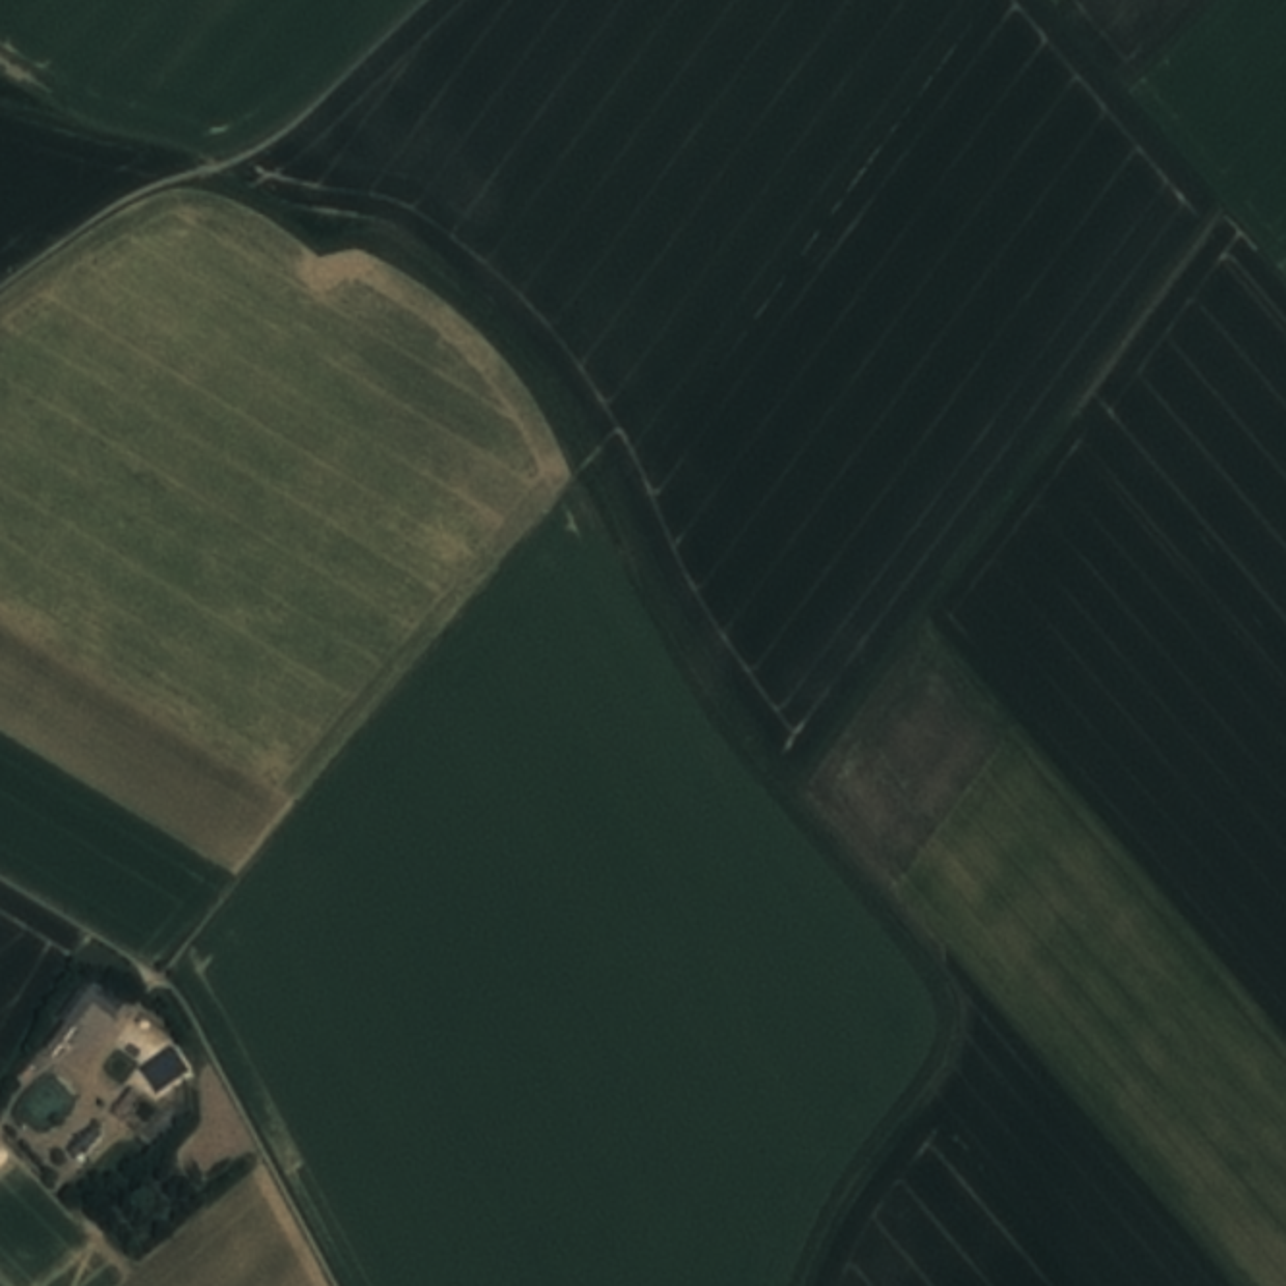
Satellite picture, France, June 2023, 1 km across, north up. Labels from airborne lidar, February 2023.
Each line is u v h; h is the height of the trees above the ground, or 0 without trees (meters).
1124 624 0
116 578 0
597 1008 0
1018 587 0
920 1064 0
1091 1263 0
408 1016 0
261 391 0
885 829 0
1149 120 0
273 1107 0
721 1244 0
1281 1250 0
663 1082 0
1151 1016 0
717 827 0
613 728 0
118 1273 0
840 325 0
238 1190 0
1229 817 0
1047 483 0
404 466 0
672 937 0
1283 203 0
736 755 0
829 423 0
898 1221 0
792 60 0
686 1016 0
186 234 0
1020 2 0
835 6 0
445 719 0
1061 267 0
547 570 0
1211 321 0
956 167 0
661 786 0
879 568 0
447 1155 0
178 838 0
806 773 0
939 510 0
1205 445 0
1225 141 0
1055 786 0
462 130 0
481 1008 0
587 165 0
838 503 0
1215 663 0
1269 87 0
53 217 0
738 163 0
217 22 0
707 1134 0
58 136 0
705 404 0
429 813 0
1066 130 0
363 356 0
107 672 0
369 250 0
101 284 0
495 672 0
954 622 0
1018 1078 0
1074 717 0
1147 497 0
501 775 0
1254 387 0
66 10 0
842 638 0
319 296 0
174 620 0
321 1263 0
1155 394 0
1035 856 0
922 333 0
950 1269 0
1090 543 0
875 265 0
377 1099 0
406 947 0
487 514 0
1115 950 0
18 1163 0
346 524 0
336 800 0
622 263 0
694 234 0
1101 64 0
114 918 0
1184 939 0
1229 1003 0
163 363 0
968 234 0
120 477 0
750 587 0
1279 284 0
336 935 0
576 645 0
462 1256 0
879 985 0
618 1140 0
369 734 0
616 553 0
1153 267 0
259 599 0
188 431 0
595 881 0
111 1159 0
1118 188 0
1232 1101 0
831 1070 0
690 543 0
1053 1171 0
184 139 0
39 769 0
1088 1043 0
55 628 0
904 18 0
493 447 0
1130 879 0
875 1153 0
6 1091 6
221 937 0
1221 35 0
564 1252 0
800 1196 0
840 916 0
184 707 0
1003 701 0
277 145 0
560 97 0
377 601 0
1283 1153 0
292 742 0
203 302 0
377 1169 0
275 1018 0
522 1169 0
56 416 0
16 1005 0
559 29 0
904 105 0
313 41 0
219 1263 0
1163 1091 0
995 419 0
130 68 0
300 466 0
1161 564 0
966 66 0
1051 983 0
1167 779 0
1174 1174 0
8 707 0
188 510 0
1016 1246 0
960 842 0
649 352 0
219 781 0
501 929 0
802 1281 0
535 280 0
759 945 0
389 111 0
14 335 0
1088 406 0
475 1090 0
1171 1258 0
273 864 0
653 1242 0
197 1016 0
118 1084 0
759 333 0
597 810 0
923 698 0
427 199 0
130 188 0
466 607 0
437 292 0
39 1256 0
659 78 0
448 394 0
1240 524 0
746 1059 0
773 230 0
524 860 0
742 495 0
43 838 0
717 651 0
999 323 0
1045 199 0
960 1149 0
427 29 0
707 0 0
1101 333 0
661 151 0
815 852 0
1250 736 0
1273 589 0
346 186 0
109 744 0
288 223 0
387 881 0
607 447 0
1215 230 0
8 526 0
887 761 0
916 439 0
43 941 0
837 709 0
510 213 0
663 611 0
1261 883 0
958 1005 0
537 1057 0
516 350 0
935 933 0
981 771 0
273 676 0
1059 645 0
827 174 0
